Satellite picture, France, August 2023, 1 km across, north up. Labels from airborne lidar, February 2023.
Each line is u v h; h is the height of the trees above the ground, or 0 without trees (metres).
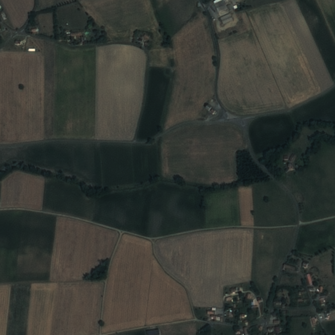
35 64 0
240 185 15
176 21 0
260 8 0
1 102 0
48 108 0
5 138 0
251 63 0
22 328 0
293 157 0
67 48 0
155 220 0
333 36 0
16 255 0
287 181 0
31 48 0
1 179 23
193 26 0
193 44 0
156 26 0
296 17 0
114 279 0
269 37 0
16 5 0
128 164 0
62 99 0
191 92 0
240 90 0
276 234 0
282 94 0
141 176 0
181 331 0
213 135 0
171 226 0
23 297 0
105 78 0
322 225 0
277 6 0
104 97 0
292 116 0
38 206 0
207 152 0
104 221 0
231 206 0
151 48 0
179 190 0
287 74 0
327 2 0
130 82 0
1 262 0
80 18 0
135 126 0
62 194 0
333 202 0
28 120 0
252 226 0
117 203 0
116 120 0
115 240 0
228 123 0
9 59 0
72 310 0
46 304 0
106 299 0
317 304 8
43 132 0
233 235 0
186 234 0
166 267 0
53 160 0
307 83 0
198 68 0
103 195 16
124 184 0
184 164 0
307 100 0
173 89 0
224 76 0
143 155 0
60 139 0
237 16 0
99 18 0
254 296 0
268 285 0
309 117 0
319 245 0
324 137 19
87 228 0
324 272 0
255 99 0
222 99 0
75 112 0
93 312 0
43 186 0
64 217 0
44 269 0
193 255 0
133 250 0
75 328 0
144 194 0
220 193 0
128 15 0
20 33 0
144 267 0
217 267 0
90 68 0
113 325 0
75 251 0
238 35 0
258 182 6
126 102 0
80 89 0
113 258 0
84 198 0
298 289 8
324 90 0
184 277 0
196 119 0
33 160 0
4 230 0
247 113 0
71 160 0
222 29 0
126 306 0
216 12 0
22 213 0
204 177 0
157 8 0
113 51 0
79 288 0
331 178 0
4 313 0
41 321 0
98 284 0
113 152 0
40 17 0
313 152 19
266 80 0
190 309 0
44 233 0
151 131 0
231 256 0
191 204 0
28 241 0
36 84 0
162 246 0
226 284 0
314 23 0
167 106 0
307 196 0
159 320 0
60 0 0
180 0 0
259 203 0
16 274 0
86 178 0
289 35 0
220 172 0
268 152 19
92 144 0
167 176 0
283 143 0
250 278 0
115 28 0
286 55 0
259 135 0
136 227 0
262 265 0
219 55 0
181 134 0
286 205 0
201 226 0
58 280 0
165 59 0
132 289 0
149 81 0
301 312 0
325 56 0
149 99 0
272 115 0
